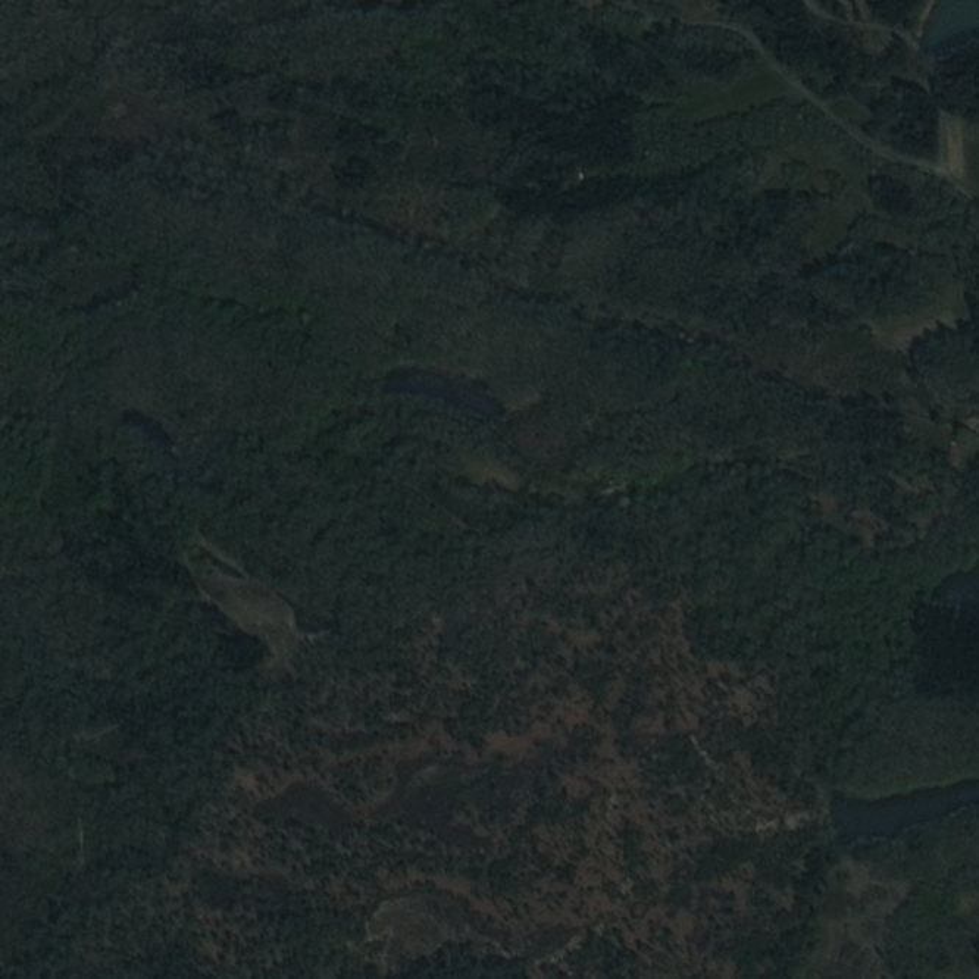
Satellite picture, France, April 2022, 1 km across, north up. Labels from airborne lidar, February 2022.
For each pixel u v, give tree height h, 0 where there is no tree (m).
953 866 13
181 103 11
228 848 13
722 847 10
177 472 13
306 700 7
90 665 19
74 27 11
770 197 7
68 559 17
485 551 17
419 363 20
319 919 13
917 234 10
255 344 23
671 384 21
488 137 12
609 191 21
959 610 19
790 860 9
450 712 13
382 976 9
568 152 17
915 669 19
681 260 22
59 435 14
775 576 9
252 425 24
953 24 0
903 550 15
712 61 19
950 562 20
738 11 15
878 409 24
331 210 9
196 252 21
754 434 25
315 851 17
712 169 13
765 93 0
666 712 14
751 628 25
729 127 8
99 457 9
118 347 20
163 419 16
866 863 16
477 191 16
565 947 0
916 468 16
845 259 14
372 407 21
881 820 0
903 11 17
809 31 16
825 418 19
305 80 9
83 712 21
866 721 22
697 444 24
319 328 23
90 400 27
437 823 0
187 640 27
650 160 13
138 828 18
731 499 10
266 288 24
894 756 22
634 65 20
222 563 0
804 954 15
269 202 26
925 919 17
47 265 24
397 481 14
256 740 6
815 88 20
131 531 18
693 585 12
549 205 20
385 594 24
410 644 12
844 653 24
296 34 14
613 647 8
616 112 22
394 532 14
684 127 8
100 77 16
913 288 17
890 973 0
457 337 19
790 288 29
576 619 11
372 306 22
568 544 18
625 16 16
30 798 19
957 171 0
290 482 15
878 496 21
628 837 11
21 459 23
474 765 0
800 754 14
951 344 22
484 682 10
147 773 14
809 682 22
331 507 19
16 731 16
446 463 22
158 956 17
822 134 15
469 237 14
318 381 23
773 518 22
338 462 19
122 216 18
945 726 23
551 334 22
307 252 18
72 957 13
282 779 16
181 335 17
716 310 28
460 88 10
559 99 10
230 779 11
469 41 14
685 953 9
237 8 6
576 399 19
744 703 0
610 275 21
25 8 10
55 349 17
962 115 15
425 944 0
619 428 23
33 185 20
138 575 11
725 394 19
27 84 0
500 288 25
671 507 10
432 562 20
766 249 24
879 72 9
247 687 24
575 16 11
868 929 0
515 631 10
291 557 21
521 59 12
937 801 0
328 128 7
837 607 24
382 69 16
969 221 7
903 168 11
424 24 18
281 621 0
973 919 0
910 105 23
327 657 13
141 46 9
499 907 7
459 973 17
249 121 14
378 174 6
